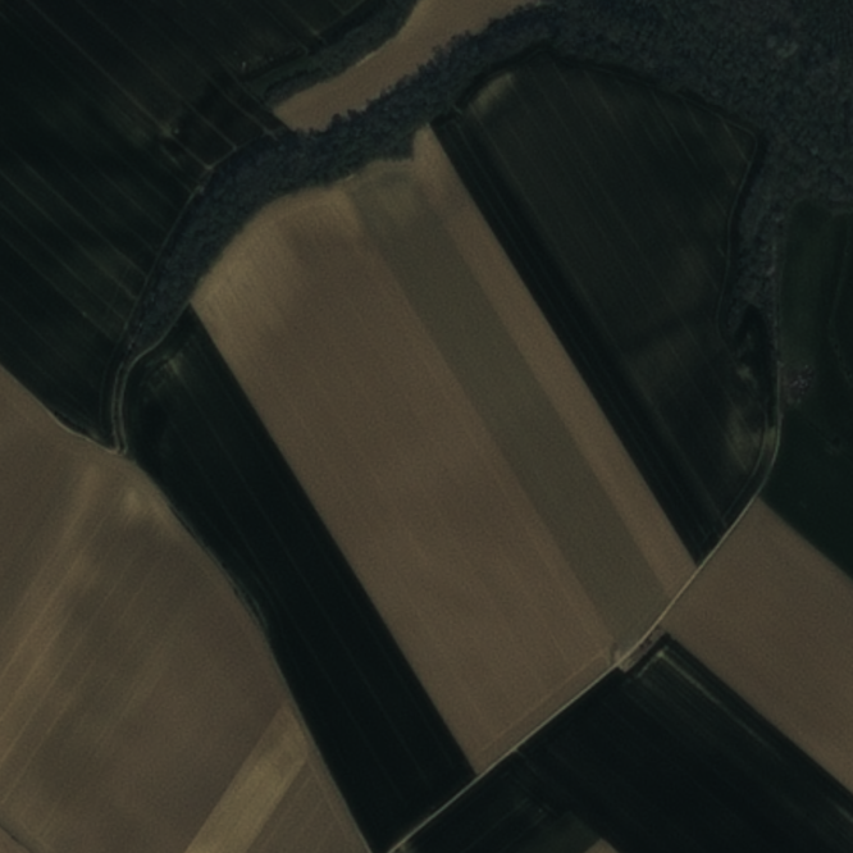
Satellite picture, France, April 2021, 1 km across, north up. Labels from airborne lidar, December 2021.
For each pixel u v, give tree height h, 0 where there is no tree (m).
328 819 0
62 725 0
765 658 0
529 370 0
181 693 0
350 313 0
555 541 0
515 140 0
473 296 0
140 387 0
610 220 0
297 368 0
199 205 13
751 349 0
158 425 0
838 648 0
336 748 0
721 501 0
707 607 0
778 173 20
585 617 0
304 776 0
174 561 0
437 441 0
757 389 0
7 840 0
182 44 0
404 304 0
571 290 0
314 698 0
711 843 0
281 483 0
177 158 0
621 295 0
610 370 0
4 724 0
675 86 13
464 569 0
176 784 0
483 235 0
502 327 0
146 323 13
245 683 0
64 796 0
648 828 0
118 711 0
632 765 0
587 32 24
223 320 0
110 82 0
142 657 0
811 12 19
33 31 0
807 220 0
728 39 33
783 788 0
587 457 0
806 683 0
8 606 0
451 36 0
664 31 33
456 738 0
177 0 0
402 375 0
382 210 0
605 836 0
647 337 0
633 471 0
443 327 0
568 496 0
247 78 0
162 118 0
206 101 0
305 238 0
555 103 0
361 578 0
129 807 0
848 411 0
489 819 0
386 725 0
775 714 0
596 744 0
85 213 0
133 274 0
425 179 0
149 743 0
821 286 0
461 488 0
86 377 0
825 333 0
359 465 0
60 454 0
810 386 0
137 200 0
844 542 0
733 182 0
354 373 0
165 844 0
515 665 0
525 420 0
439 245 0
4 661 0
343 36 15
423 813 0
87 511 0
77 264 0
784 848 0
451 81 24
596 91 0
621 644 0
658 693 0
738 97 15
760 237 8
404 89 11
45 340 0
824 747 0
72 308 0
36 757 0
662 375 0
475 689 0
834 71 8
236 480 0
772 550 0
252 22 0
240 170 27
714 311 0
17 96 0
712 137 0
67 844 0
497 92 0
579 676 0
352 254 0
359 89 0
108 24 0
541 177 0
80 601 0
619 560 0
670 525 0
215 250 19
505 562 0
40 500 0
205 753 0
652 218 0
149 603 0
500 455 0
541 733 0
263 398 0
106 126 0
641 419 0
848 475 0
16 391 0
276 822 0
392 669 0
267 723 0
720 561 0
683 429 0
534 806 0
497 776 0
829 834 0
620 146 0
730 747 0
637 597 0
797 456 0
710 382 0
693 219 0
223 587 0
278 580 0
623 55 14
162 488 0
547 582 0
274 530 0
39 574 0
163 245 0
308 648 0
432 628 0
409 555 0
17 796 0
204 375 0
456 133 0
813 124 25
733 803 0
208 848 0
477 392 0
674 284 0
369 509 0
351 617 0
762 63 28
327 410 0
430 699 0
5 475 0
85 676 0
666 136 0
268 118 0
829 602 0
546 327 0
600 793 0
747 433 0
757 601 0
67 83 0
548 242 0
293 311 0
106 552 0
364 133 23
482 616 0
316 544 0
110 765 0
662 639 0
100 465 0
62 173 0
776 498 0
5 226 0
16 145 0
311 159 20
